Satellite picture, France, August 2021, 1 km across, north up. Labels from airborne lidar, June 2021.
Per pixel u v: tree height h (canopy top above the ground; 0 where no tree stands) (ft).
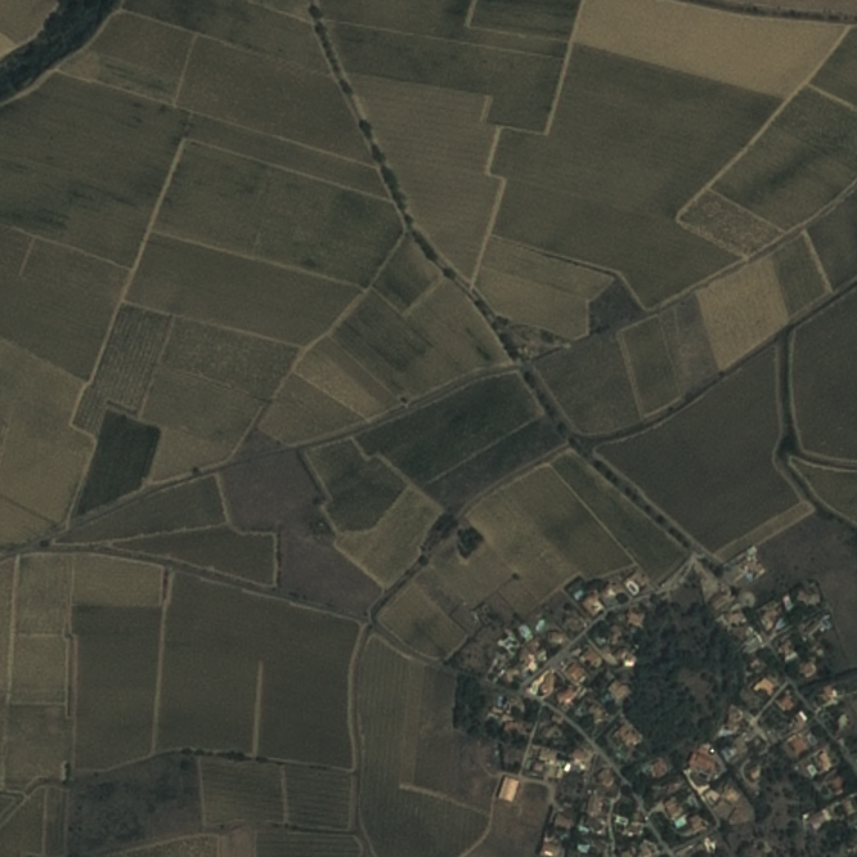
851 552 0
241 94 0
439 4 0
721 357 0
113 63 0
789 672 36
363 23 0
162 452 0
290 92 0
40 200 0
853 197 0
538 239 0
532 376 46
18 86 28
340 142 0
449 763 0
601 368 0
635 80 0
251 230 0
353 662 0
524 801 0
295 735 0
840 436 0
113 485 0
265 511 0
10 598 0
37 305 0
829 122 0
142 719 0
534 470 0
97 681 0
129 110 0
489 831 0
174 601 0
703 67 0
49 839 0
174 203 0
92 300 0
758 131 0
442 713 0
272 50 0
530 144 0
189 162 0
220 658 0
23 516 0
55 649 0
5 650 0
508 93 0
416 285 0
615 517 0
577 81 0
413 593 0
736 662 52
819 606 19
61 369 0
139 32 0
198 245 0
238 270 0
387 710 0
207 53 0
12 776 0
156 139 0
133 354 0
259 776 0
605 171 0
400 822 0
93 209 0
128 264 0
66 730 0
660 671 43
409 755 0
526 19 0
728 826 37
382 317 0
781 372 0
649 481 0
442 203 0
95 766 0
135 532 0
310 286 0
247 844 0
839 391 0
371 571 0
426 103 0
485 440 0
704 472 0
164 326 0
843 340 0
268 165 0
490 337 0
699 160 0
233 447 0
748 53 0
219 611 0
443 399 0
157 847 0
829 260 0
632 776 43
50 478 0
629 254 0
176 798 0
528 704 29
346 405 0
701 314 0
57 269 0
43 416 0
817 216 0
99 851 0
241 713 0
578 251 0
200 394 0
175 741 0
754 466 0
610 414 0
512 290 0
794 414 0
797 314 0
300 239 0
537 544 0
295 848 0
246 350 0
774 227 0
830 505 0
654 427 0
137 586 0
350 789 0
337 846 0
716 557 0
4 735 0
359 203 0
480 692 43
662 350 0
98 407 0
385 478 0
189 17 0
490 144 0
